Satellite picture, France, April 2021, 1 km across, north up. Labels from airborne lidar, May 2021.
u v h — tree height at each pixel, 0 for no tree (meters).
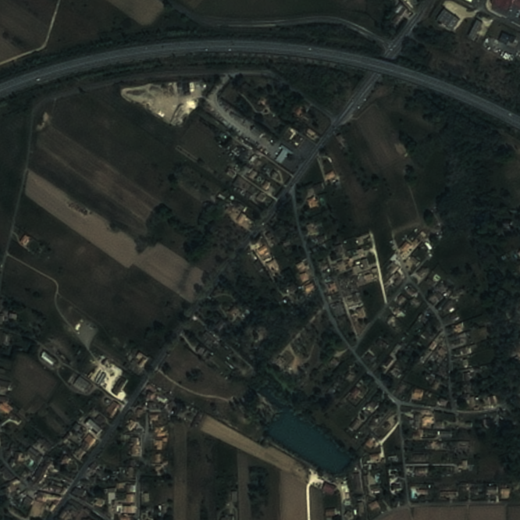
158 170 0
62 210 0
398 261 0
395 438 0
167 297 0
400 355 7
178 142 0
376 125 0
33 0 0
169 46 0
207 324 11
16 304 11
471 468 0
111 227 8
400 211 0
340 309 0
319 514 0
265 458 0
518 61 8
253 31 0
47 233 0
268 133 18
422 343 0
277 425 0
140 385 0
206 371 0
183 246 0
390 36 15
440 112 20
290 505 0
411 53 20
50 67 0
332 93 12
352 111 0
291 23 0
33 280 0
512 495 0
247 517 0
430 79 0
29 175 0
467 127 21
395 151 0
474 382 12
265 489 21
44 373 0
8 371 0
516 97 8
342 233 7
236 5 0
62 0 0
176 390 0
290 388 9
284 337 19
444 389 11
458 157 26
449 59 0
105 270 0
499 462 0
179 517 0
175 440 0
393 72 0
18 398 0
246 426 0
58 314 0
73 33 0
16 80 0
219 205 14
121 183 0
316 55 0
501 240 11
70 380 0
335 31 13
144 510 12
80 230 0
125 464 6
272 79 12
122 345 0
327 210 11
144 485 15
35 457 0
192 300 0
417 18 0
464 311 0
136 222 0
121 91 0
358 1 0
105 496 9
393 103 0
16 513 13
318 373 6
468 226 22
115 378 0
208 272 0
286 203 13
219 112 0
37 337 8
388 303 0
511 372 22
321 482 0
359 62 0
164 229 0
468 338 0
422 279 0
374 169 0
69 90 0
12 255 0
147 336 6
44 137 0
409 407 0
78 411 0
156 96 0
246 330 22
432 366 11
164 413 13
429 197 0
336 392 6
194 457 0
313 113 12
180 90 0
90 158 0
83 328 0
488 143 19
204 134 0
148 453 11
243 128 0
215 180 0
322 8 0
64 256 0
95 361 0
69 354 0
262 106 7
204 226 11
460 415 0
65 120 0
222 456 0
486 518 0
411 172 15
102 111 0
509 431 28
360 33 12
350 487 7
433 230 0
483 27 0
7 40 0
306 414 8
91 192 0
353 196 0
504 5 0
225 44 0
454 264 0
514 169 0
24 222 0
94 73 9
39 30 0
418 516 0
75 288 0
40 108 0
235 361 12
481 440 24
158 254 0
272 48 0
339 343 16
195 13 0
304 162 0
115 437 0
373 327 0
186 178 13
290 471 0
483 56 0
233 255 22
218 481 6
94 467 0
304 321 22
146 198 0
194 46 0
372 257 0
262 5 0
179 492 0
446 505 0
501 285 13
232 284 8
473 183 17
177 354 0
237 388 0
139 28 0
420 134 0
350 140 0
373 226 0
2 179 6
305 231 9
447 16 0
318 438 0
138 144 0
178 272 0
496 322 22
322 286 10
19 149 7
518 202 0
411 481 0
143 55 0
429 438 0
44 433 0
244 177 0
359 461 13
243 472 0
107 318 0
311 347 0
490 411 0
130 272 0
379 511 0
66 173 0
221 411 0
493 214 6
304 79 12
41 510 0
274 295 6
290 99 15
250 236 0
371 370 0
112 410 0
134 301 0
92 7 0
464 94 0
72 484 0
